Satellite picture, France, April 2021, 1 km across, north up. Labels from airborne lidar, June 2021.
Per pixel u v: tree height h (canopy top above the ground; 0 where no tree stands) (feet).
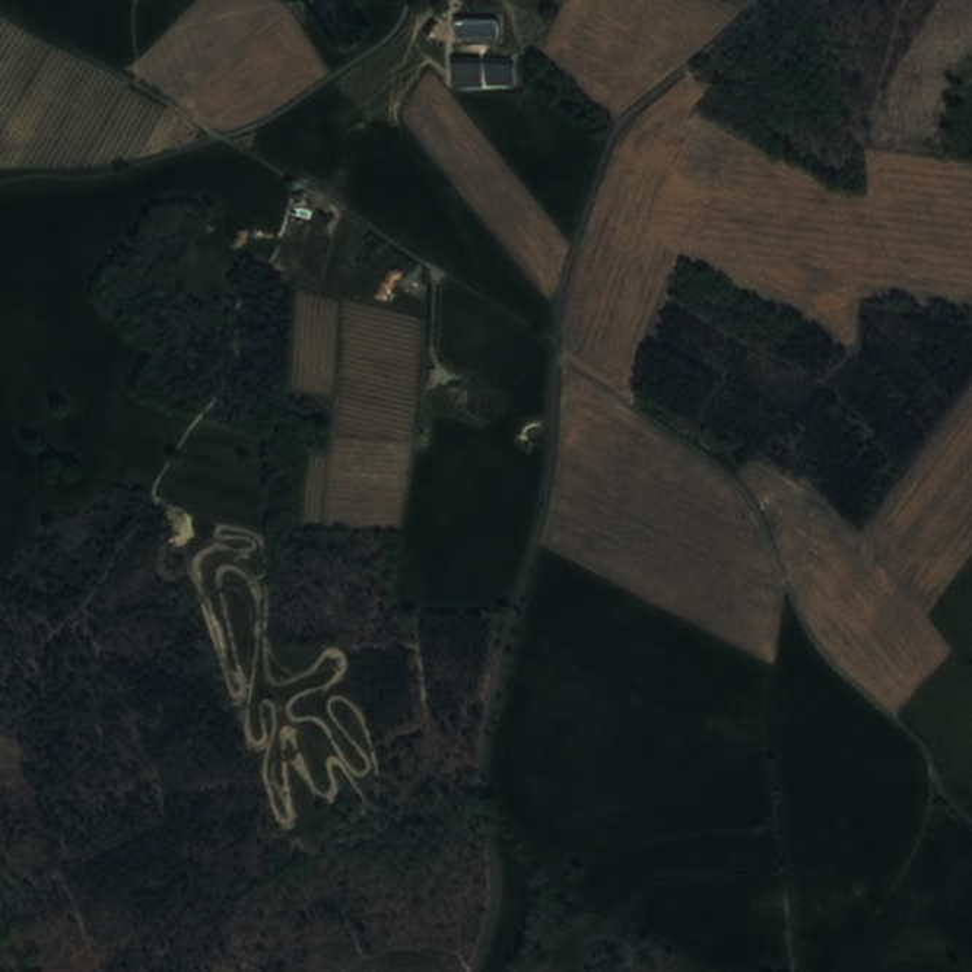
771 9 47
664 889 0
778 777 0
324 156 0
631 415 0
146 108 0
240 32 0
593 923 0
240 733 40
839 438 33
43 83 0
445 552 0
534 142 0
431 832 53
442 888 52
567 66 0
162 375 51
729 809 0
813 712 0
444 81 0
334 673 0
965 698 0
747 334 54
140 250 21
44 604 38
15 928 66
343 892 37
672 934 0
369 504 0
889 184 0
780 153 55
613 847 0
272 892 44
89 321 0
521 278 0
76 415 0
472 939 21
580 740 0
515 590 0
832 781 0
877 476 31
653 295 0
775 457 28
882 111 0
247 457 44
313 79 0
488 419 0
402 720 25
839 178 66
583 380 0
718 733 0
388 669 37
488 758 0
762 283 0
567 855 0
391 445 0
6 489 0
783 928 0
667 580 0
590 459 0
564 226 0
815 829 0
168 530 39
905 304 68
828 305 0
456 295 0
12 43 0
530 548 0
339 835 51
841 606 0
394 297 0
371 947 47
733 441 33
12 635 52
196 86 0
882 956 0
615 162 0
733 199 0
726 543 0
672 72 0
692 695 0
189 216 44
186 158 0
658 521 0
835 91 51
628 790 0
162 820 39
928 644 0
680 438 0
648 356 58
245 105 0
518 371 0
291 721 0
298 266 0
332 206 0
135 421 0
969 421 0
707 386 58
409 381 0
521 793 0
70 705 61
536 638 0
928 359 47
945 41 0
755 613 0
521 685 0
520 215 0
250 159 0
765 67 49
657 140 0
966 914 0
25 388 0
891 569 0
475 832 51
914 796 0
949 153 48
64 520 34
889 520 0
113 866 29
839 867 0
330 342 0
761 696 0
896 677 0
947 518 0
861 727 0
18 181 0
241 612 0
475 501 0
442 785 26
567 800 0
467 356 0
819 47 50
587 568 0
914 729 0
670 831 0
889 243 0
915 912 0
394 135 0
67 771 72
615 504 0
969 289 0
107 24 0
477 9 0
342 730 0
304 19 0
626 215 0
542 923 54
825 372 43
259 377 49
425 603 0
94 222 0
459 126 0
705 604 0
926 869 0
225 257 0
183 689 43
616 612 0
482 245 0
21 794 0
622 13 0
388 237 0
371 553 28
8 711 52
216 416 23
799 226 0
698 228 0
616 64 0
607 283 0
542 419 0
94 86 0
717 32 0
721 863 0
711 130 0
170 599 28
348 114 0
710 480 0
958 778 0
